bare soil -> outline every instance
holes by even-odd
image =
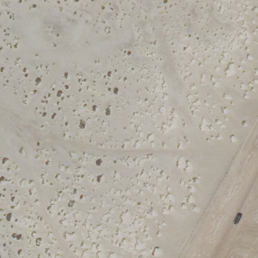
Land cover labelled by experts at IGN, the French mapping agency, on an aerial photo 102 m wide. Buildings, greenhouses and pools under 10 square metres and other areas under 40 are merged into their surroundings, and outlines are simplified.
[[[258,258],[258,0],[0,0],[0,258]]]

